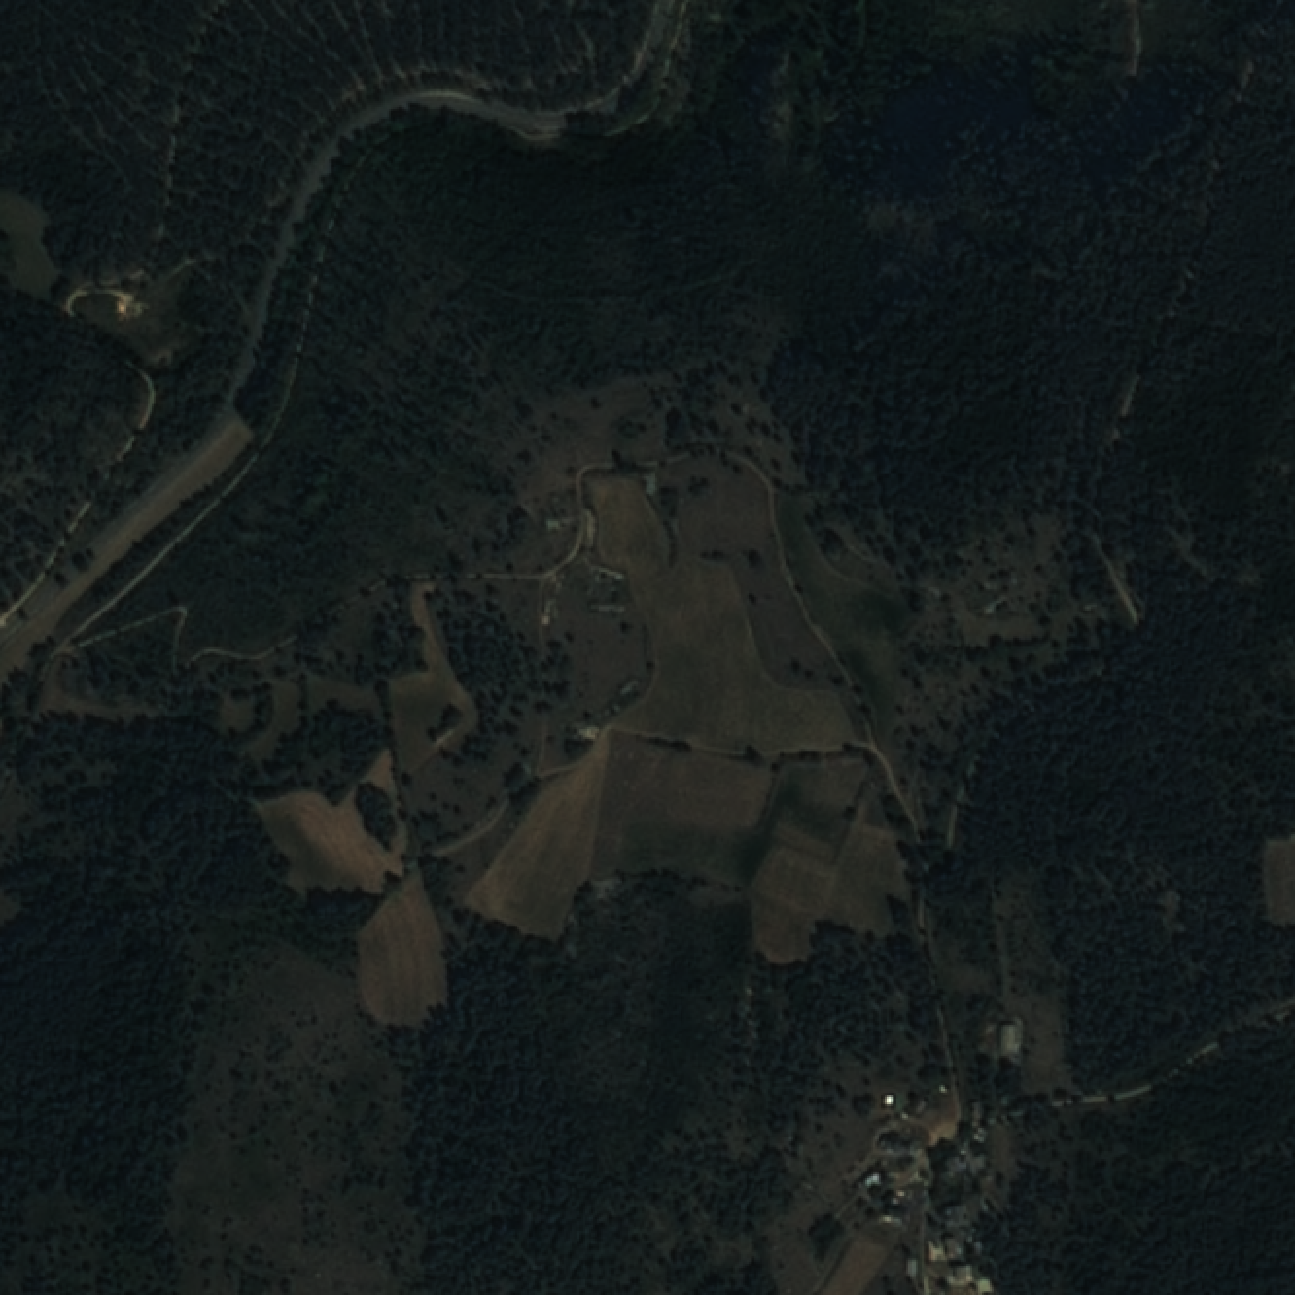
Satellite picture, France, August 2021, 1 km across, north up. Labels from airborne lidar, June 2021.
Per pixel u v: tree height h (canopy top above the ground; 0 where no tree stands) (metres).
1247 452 8
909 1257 12
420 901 0
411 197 5
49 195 14
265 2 15
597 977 8
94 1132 8
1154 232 13
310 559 10
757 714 0
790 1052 11
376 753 11
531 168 8
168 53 16
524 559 0
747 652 0
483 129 14
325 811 0
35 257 0
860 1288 0
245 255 18
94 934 17
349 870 0
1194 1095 10
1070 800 9
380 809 15
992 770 15
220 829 17
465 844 0
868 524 10
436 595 7
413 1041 11
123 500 11
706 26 9
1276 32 18
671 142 8
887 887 0
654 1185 11
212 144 14
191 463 0
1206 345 10
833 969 13
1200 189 10
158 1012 7
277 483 8
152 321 0
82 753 10
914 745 7
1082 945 18
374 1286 0
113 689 8
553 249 12
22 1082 15
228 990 8
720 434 10
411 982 0
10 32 10
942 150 10
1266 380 7
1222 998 17
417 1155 12
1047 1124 10
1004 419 8
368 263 14
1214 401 7
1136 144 12
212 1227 0
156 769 7
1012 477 14
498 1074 10
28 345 7
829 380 19
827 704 0
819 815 0
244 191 9
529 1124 17
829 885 0
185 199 10
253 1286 6
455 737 0
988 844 15
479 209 7
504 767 0
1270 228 13
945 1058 15
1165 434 6
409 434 9
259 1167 0
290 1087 7
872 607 0
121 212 13
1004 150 23
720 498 0
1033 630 0
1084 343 15
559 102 12
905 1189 0
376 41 14
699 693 0
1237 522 9
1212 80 18
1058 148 31
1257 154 14
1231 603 14
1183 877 11
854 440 15
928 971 11
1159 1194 10
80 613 0
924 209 23
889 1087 0
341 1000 0
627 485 0
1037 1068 0
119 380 6
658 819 0
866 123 12
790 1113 6
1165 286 9
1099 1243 8
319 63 16
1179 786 12
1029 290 13
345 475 7
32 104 12
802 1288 0
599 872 0
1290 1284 13
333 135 17
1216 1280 12
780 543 0
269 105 11
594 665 0
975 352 11
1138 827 14
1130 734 13
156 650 8
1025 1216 12
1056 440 12
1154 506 11
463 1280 9
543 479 0
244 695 11
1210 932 12
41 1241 7
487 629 12
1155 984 15
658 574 0
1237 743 8
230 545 11
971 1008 6
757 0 16
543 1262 7
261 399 18
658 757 0
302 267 15
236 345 15
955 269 9
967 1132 10
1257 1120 9
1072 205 26
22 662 0
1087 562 14
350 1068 0
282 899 7
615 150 9
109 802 11
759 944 0
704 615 0
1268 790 9
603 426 0
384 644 13
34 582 10
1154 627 12
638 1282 10
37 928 17
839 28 14
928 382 10
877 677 0
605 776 0
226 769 14
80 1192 9
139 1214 12
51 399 12
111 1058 11
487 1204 13
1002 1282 10
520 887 0
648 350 6
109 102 12
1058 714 13
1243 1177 8
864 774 0
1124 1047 16
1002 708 13
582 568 0
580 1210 10
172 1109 8
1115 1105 8
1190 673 13
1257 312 12
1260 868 8
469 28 16
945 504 15
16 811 0
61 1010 23
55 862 6
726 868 0
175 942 10
